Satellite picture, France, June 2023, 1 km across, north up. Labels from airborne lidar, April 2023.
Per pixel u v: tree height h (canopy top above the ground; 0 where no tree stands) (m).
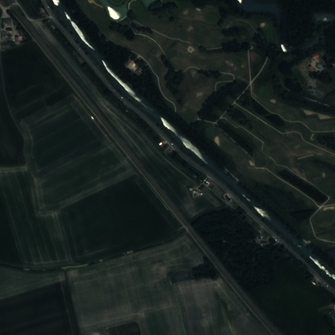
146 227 0
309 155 0
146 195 0
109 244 0
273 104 0
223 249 25
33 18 0
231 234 21
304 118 0
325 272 0
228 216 16
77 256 0
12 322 0
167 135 0
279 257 7
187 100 0
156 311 0
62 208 0
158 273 0
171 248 0
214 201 0
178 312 0
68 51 0
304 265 14
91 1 0
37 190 0
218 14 0
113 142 0
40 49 0
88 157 0
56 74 0
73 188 0
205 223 16
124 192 0
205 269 16
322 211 0
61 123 0
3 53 0
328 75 8
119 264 0
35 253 0
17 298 0
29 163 0
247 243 9
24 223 0
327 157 0
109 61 21
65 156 0
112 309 0
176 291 0
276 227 0
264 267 15
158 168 0
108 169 0
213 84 0
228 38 0
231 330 0
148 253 0
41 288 0
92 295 0
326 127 0
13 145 0
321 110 0
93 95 0
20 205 0
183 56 0
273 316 0
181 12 0
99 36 15
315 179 0
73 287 0
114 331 0
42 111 0
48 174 0
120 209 0
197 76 0
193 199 0
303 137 0
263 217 0
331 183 0
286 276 0
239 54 0
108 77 0
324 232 0
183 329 0
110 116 0
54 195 0
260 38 15
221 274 0
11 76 0
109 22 0
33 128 0
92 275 0
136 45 0
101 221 0
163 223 0
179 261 0
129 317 0
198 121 7
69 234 0
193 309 0
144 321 0
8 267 0
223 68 0
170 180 0
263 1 0
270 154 0
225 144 0
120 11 0
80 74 0
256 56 0
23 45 0
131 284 0
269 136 0
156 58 0
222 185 0
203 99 0
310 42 0
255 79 0
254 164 0
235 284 0
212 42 0
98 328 0
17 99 0
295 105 0
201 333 0
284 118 0
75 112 0
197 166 0
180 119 20
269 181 0
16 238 0
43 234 0
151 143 0
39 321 0
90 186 0
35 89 0
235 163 0
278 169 0
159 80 0
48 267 0
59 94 0
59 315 0
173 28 0
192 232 0
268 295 0
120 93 11
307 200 0
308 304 0
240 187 12
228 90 11
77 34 0
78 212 0
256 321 0
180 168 0
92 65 0
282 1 23
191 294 0
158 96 13
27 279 0
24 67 0
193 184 0
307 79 0
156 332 0
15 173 0
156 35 0
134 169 0
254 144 0
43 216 0
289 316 0
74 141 0
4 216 0
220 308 0
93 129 0
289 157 0
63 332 0
